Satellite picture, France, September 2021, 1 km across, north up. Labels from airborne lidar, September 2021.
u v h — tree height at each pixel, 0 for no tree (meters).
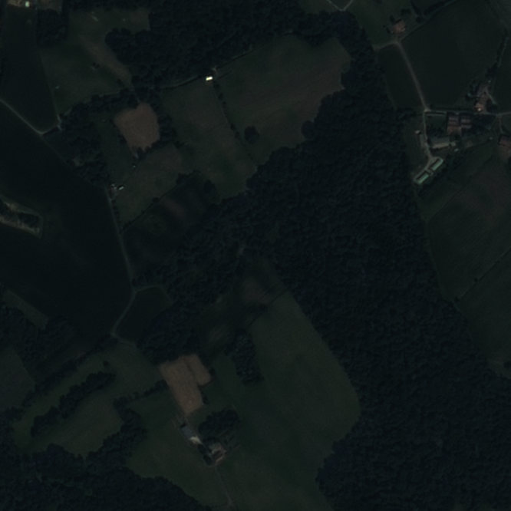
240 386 0
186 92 0
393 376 16
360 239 23
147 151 8
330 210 16
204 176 0
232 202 10
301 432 0
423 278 27
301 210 20
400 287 19
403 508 13
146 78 15
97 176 10
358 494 21
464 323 13
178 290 15
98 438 0
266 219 25
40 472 22
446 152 0
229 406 0
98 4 14
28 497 19
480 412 14
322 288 9
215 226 27
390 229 21
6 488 15
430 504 22
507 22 0
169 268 6
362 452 10
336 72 0
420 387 27
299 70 0
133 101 22
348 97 20
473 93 11
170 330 22
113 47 17
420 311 26
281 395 0
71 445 0
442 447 10
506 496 15
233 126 10
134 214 0
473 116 10
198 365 0
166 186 0
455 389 27
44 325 0
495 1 0
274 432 0
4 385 0
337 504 9
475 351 13
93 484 27
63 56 0
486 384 22
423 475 27
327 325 16
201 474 0
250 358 13
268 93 0
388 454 29
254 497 0
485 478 21
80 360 11
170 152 0
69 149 9
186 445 0
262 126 0
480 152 0
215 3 28
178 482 0
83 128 9
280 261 25
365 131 24
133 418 18
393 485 28
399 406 17
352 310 22
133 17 0
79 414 0
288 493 0
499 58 8
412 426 22
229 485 0
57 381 19
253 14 6
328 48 0
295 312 0
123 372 0
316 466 0
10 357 0
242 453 0
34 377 14
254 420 0
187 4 24
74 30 0
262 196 24
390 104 12
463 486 20
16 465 24
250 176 0
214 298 10
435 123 0
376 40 0
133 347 0
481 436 21
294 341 0
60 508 17
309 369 0
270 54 0
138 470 0
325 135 23
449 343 21
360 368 14
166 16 20
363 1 0
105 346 15
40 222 6
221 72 0
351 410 0
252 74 0
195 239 24
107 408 0
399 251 18
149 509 12
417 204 20
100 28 0
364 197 20
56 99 0
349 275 24
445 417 24
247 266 17
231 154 0
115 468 8
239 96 0
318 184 26
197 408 0
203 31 7
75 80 0
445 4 6
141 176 0
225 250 10
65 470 25
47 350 19
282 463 0
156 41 23
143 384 0
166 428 0
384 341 26
